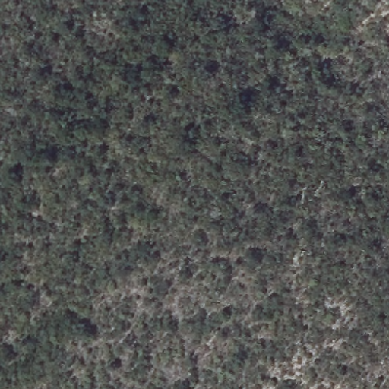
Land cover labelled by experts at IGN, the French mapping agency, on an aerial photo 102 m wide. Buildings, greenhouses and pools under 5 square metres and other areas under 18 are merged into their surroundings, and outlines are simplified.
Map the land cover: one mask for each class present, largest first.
<instances>
[{"label":"brushwood","instance_id":"1","mask_svg":"<svg viewBox=\"0 0 389 389\"><path fill-rule=\"evenodd\" d=\"M330 296L331 302H345V305H354L357 308L359 319L356 328L351 330L348 327H340L333 330L340 310L325 307V301ZM295 351H302L298 356V363L305 357H312V354L318 353L315 365L308 368L310 380L307 384L296 383L293 380H277L267 374V369L272 368L275 362H290ZM0 389H389V0H0Z\"/></svg>","mask_w":389,"mask_h":389},{"label":"bare soil","instance_id":"2","mask_svg":"<svg viewBox=\"0 0 389 389\"><path fill-rule=\"evenodd\" d=\"M325 307L340 310L333 330L340 327H348L351 330L356 328L359 319L357 308L354 305H345V302H331L330 296L325 301ZM302 351H295L290 362H275L272 368L267 369V374L277 380H293L296 383L307 384L310 380L308 368L315 365L318 353L312 354V357H305L298 363V356Z\"/></svg>","mask_w":389,"mask_h":389}]
</instances>
